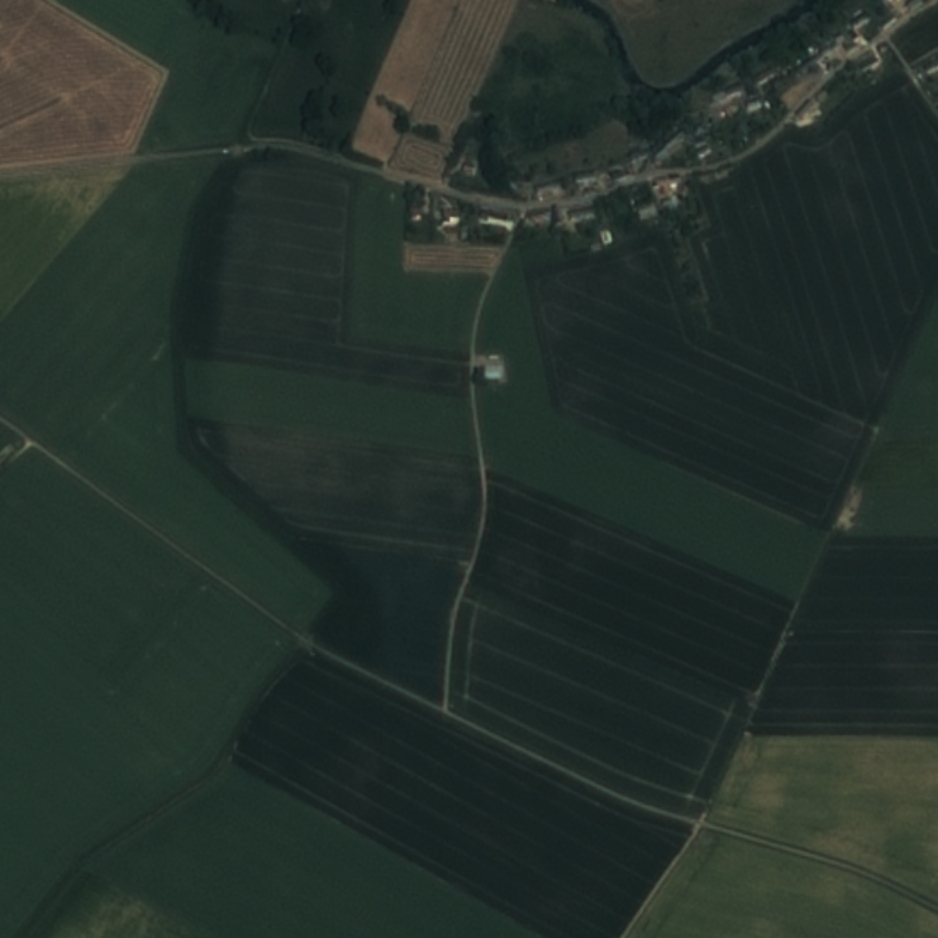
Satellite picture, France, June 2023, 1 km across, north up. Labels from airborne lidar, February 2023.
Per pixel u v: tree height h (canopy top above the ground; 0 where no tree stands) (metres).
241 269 0
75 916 0
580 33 0
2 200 0
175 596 0
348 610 0
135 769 0
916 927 0
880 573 0
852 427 0
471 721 0
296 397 0
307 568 0
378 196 0
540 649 0
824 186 0
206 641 0
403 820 0
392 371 0
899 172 0
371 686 0
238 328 0
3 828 0
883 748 0
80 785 0
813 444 0
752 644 0
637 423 0
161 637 0
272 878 0
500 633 0
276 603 0
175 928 0
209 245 0
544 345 0
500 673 0
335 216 0
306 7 12
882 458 0
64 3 0
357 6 0
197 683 0
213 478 0
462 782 0
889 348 0
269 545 0
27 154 0
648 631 0
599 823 0
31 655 0
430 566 0
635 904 0
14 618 0
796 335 0
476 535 0
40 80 0
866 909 0
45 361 0
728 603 0
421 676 0
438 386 0
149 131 0
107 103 0
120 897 0
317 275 0
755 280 0
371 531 0
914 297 0
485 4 0
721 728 0
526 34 0
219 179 0
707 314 0
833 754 0
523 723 0
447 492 0
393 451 0
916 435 0
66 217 0
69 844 0
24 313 0
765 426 0
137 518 0
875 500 0
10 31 0
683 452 0
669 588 0
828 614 0
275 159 9
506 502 0
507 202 0
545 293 0
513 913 0
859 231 0
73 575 0
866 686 0
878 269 0
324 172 0
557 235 12
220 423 0
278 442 0
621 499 0
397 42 0
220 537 0
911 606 0
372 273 0
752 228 0
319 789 0
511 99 0
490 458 0
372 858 0
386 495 0
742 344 0
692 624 0
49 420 0
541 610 0
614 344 0
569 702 0
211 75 0
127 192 0
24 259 0
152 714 0
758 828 0
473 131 6
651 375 0
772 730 0
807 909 0
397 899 0
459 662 0
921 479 0
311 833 0
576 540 0
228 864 0
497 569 0
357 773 0
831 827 0
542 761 0
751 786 0
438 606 0
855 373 0
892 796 0
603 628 0
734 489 0
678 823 0
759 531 0
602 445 0
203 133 0
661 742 0
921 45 0
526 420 0
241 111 0
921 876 0
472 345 0
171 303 0
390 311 0
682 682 0
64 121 0
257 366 0
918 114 0
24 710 0
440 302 0
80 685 0
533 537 0
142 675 0
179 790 0
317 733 0
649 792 0
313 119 18
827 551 0
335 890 0
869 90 0
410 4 0
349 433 0
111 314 0
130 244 0
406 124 16
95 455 0
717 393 0
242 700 0
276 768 0
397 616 0
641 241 0
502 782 0
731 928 0
